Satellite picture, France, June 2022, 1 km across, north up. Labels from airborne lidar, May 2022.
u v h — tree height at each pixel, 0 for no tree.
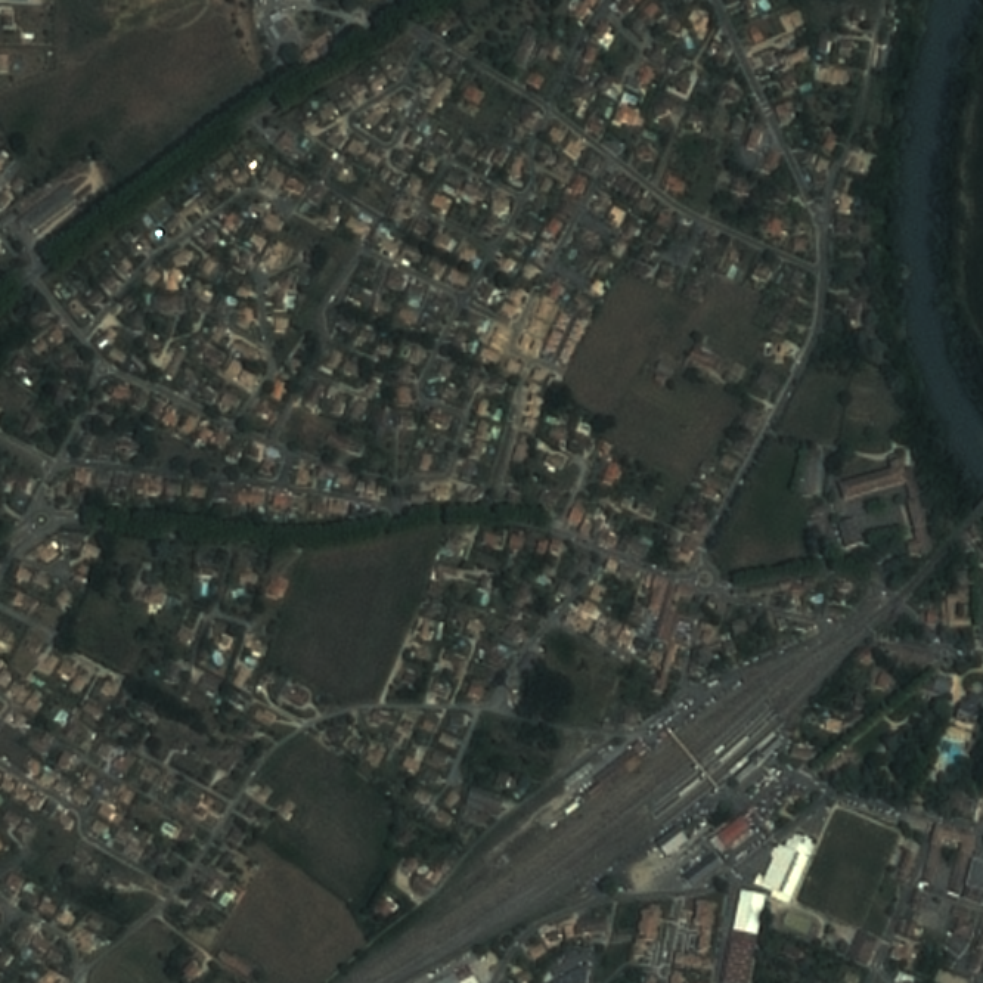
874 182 14
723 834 0
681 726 0
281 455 0
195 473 10
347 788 0
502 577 10
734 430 10
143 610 0
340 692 0
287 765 0
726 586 0
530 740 8
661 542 6
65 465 0
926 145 0
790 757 8
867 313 12
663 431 0
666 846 0
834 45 6
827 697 11
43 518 0
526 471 6
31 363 7
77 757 0
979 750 15
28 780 0
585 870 0
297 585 0
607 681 0
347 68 23
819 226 0
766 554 0
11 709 0
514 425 0
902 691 15
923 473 11
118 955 0
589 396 0
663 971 0
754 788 6
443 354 12
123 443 0
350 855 0
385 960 0
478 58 8
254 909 0
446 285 0
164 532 26
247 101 28
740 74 6
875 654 14
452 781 0
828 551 25
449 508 20
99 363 0
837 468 17
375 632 0
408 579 0
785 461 0
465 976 0
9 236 6
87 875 0
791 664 0
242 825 9
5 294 27
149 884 0
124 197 27
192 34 0
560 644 0
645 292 0
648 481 8
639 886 0
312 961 0
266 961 0
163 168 26
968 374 32
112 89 0
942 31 0
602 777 0
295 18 0
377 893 12
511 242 6
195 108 0
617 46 0
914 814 0
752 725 0
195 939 0
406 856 9
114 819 0
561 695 14
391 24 22
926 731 23
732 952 0
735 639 8
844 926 0
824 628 0
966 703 0
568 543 8
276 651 0
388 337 7
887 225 12
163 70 0
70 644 19
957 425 0
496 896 0
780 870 0
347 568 0
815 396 0
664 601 0
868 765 17
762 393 0
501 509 23
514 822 0
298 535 25
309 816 0
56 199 0
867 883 0
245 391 0
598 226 0
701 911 0
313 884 0
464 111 0
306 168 6
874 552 17
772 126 0
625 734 0
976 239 0
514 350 0
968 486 24
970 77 14
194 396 7
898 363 18
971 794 13
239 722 10
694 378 10
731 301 0
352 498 0
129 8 0
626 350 0
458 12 8
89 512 23
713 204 8
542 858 0
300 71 32
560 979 0
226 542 20
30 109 0
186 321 11
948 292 13
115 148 0
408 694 11
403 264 0
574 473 0
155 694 11
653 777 0
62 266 26
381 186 0
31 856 0
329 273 0
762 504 0
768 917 15
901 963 7
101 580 13
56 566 0
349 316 17
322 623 0
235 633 9
